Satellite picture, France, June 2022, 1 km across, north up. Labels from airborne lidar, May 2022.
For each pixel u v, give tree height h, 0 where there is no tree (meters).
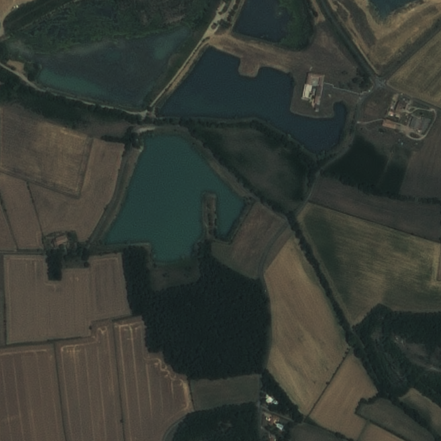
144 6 11
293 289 0
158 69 0
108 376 0
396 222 0
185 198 0
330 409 0
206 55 0
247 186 12
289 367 0
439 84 0
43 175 0
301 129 0
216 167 0
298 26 0
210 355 25
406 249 0
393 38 0
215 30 0
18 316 0
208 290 22
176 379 0
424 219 0
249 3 0
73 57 0
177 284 0
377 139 0
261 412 0
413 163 0
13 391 0
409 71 0
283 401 19
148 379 0
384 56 0
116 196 0
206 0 0
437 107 0
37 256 0
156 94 0
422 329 18
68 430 0
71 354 0
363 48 0
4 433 0
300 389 0
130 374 0
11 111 0
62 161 0
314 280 0
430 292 0
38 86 0
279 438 8
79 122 7
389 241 0
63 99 15
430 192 0
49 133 0
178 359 18
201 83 0
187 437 14
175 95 0
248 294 25
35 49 0
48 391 0
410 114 0
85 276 0
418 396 0
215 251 0
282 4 0
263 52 0
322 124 0
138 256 18
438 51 0
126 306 0
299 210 0
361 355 30
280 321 0
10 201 0
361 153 0
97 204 0
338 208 0
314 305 0
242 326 25
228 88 0
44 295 0
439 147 0
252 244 0
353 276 0
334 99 0
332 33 0
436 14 0
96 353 0
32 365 0
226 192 0
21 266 0
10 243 0
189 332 26
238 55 0
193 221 0
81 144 0
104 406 0
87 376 0
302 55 0
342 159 0
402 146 0
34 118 0
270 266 0
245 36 0
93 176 0
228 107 0
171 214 0
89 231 0
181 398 0
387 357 8
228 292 23
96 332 0
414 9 0
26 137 0
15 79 8
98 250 0
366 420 0
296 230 15
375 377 9
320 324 0
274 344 0
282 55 0
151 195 0
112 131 0
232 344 22
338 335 0
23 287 0
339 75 0
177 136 0
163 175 0
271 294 0
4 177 0
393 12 0
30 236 0
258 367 21
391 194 12
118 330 0
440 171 0
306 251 7
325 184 0
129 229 0
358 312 0
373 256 0
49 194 0
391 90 0
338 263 0
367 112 0
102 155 0
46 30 0
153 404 0
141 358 0
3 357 0
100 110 15
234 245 0
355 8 0
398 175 0
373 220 0
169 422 0
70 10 0
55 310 0
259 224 0
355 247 0
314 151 0
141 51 0
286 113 0
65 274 0
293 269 0
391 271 0
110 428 0
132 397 0
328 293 9
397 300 0
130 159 0
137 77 0
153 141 0
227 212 0
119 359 0
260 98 0
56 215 0
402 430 0
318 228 0
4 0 0
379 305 9
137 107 0
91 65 0
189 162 0
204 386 0
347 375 0
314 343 0
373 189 15
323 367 0
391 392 14
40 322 0
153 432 0
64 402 0
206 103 0
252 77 0
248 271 0
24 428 0
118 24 0
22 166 0
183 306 23
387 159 0
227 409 16
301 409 0
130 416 0
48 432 0
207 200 0
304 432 0
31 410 0
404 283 0
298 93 0
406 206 0
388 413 0
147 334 15
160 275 0
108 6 0
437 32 0
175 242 0
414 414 12
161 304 22
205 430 13
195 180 0
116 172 0
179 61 0
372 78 0
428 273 0
